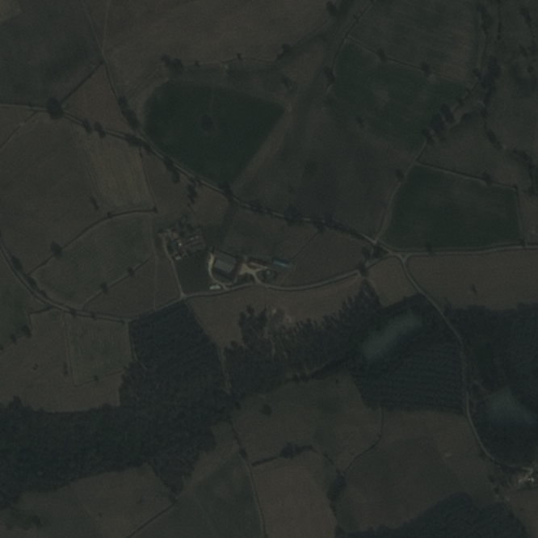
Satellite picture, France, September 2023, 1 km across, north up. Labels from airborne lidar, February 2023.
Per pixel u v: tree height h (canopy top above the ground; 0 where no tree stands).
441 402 13
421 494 0
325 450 0
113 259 0
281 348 11
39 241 0
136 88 0
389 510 0
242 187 0
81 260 0
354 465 0
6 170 0
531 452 0
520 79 0
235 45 0
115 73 0
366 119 0
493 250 0
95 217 0
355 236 9
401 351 15
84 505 0
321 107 0
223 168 0
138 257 0
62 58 0
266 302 0
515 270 0
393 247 0
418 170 0
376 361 15
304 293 0
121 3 0
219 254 0
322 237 0
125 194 0
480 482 0
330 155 0
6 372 0
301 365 20
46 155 0
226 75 0
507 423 32
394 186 0
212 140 0
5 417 10
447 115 23
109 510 0
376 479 0
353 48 0
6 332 0
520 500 0
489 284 0
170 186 0
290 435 0
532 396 20
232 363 12
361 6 0
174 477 11
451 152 0
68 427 7
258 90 0
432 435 0
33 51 0
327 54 0
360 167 0
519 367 19
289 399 0
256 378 22
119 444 26
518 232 0
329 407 0
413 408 11
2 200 0
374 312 20
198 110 0
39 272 0
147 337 13
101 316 0
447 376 18
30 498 0
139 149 0
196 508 0
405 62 0
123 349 0
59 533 0
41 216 0
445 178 0
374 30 0
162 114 0
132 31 0
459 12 0
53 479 23
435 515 16
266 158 0
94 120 0
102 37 0
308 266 0
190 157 0
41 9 0
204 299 0
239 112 0
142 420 13
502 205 0
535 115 0
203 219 0
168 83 0
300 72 0
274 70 0
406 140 0
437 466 0
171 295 0
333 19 0
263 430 0
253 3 0
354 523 0
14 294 0
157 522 0
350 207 0
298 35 0
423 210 0
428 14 0
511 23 0
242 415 0
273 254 0
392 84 0
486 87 19
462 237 0
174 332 15
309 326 11
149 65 0
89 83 0
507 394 0
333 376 0
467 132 0
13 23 0
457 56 0
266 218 0
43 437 8
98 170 0
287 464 0
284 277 0
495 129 0
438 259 0
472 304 0
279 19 0
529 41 0
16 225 0
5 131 0
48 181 0
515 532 16
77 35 0
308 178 0
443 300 0
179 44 0
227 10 0
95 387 0
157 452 13
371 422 0
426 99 0
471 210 0
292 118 0
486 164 0
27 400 0
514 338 17
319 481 0
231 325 0
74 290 0
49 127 0
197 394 7
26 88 0
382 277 0
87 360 0
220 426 0
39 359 0
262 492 0
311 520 0
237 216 0
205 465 0
